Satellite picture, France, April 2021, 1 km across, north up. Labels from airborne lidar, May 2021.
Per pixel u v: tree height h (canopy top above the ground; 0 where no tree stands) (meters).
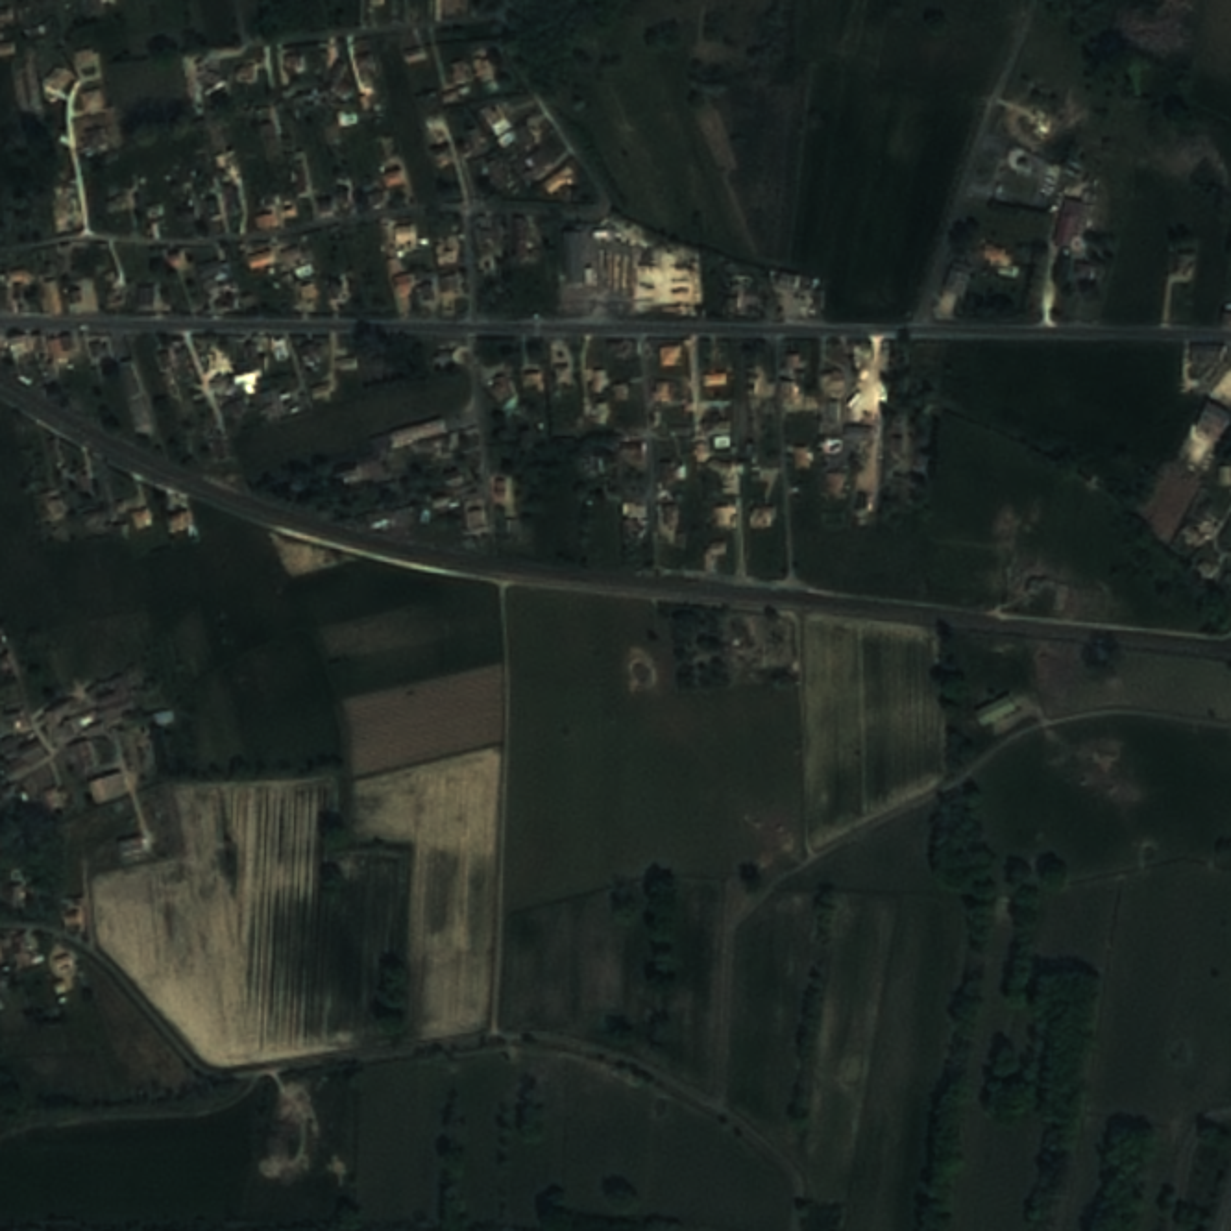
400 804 0
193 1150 0
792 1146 0
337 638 0
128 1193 0
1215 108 0
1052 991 20
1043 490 0
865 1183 0
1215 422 0
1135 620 0
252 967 0
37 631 7
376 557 0
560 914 0
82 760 0
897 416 6
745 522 0
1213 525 0
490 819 0
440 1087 0
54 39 7
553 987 0
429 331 0
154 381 0
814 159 0
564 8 16
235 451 0
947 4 0
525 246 0
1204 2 0
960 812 14
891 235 0
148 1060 0
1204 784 0
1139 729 0
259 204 6
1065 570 0
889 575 0
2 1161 0
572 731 7
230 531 0
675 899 22
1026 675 0
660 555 0
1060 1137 12
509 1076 0
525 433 10
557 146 0
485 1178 0
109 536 0
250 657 0
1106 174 0
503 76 10
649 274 0
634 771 0
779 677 8
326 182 0
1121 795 0
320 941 0
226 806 0
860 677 0
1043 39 0
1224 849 7
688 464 0
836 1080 0
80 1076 0
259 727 0
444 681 0
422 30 0
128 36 0
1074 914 0
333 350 0
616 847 0
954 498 0
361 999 0
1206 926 0
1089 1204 0
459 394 0
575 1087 0
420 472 14
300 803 0
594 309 0
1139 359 0
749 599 0
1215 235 0
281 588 0
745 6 0
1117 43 14
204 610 0
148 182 0
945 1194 17
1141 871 0
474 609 0
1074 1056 21
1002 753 0
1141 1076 0
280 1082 0
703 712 0
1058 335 0
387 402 0
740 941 0
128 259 0
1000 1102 18
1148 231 0
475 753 0
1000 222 0
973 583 0
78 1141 0
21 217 6
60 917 16
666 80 0
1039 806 0
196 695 0
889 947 0
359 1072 14
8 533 0
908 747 0
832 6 0
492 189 10
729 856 0
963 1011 17
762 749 0
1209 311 0
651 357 0
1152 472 9
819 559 0
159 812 0
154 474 0
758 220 0
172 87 0
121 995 0
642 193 0
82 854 0
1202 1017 0
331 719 0
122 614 0
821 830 0
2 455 0
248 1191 0
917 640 0
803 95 0
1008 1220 0
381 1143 0
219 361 0
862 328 0
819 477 0
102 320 0
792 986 0
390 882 0
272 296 0
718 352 0
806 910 0
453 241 0
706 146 0
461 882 0
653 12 0
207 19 0
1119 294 0
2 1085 15
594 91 0
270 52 0
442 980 0
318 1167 0
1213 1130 15
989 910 17
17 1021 0
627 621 0
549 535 0
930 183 0
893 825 0
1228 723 0
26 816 15
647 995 0
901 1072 0
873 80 0
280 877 0
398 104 0
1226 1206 0
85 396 0
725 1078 0
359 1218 14
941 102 0
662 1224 9
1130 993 0
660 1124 0
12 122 0
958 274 0
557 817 0
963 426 0
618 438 7
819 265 0
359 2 0
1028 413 0
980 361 0
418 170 0
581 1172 0
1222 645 0
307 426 0
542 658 0
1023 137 0
